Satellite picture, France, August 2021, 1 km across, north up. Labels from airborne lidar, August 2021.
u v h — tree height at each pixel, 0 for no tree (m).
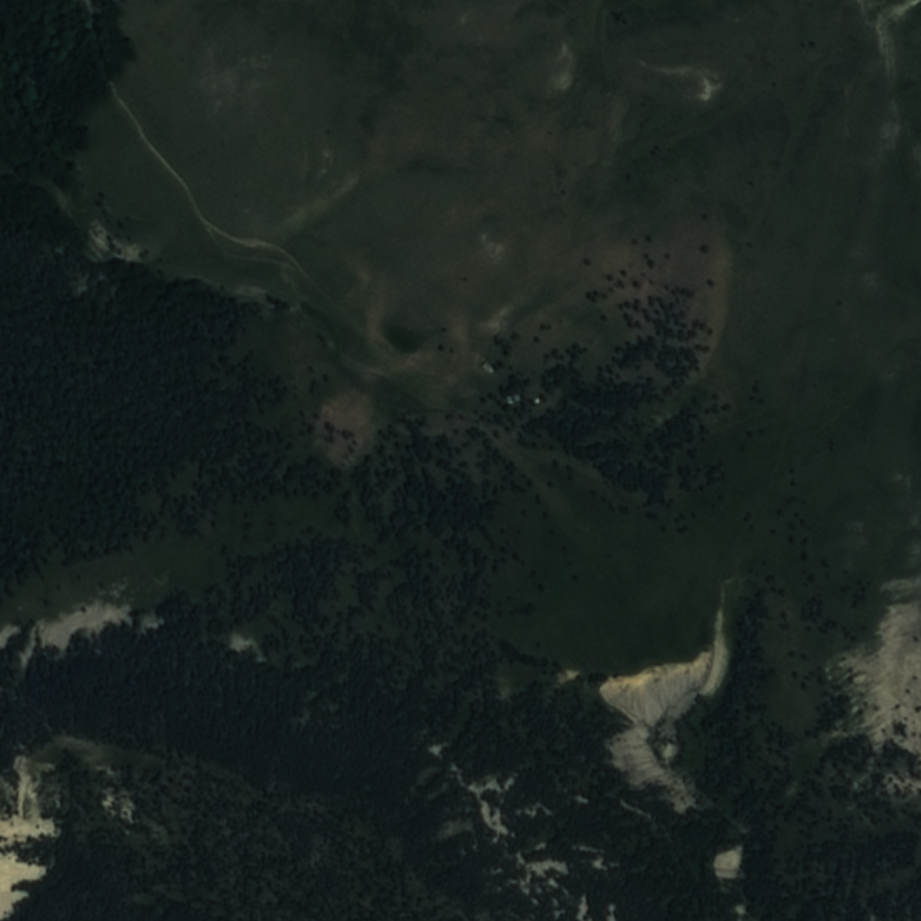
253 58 0
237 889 7
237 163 0
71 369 11
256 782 8
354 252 0
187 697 8
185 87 0
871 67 0
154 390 15
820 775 8
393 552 0
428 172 0
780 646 0
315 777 7
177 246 0
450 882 8
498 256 0
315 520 0
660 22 0
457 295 0
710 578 0
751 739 7
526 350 0
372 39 0
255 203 0
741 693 7
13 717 12
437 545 0
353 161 0
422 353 0
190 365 12
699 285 0
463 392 0
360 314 0
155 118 0
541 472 0
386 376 0
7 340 11
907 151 0
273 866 7
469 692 7
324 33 0
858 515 0
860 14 0
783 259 0
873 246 0
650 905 7
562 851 8
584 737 7
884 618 0
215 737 9
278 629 6
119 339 9
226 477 6
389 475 9
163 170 0
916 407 0
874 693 0
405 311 0
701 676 0
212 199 0
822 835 0
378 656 7
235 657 11
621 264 0
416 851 7
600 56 0
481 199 0
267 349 0
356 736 8
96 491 22
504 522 0
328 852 7
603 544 0
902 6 0
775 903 7
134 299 13
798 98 0
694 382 0
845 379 0
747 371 0
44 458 11
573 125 0
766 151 0
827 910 8
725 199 0
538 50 0
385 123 0
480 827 6
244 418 7
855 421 0
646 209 0
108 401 14
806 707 0
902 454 0
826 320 0
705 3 0
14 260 13
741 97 0
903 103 0
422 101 0
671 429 7
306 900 6
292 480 9
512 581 0
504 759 6
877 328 0
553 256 0
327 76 0
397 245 0
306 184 0
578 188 0
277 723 7
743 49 0
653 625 0
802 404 0
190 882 8
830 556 0
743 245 0
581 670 0
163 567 0
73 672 6
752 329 0
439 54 0
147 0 0
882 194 0
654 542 0
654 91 0
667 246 0
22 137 19
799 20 0
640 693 0
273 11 0
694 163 0
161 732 8
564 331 0
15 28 22
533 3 0
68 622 0
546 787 7
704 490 8
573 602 0
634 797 9
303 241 0
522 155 0
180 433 12
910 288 0
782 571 0
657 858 6
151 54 0
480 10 0
